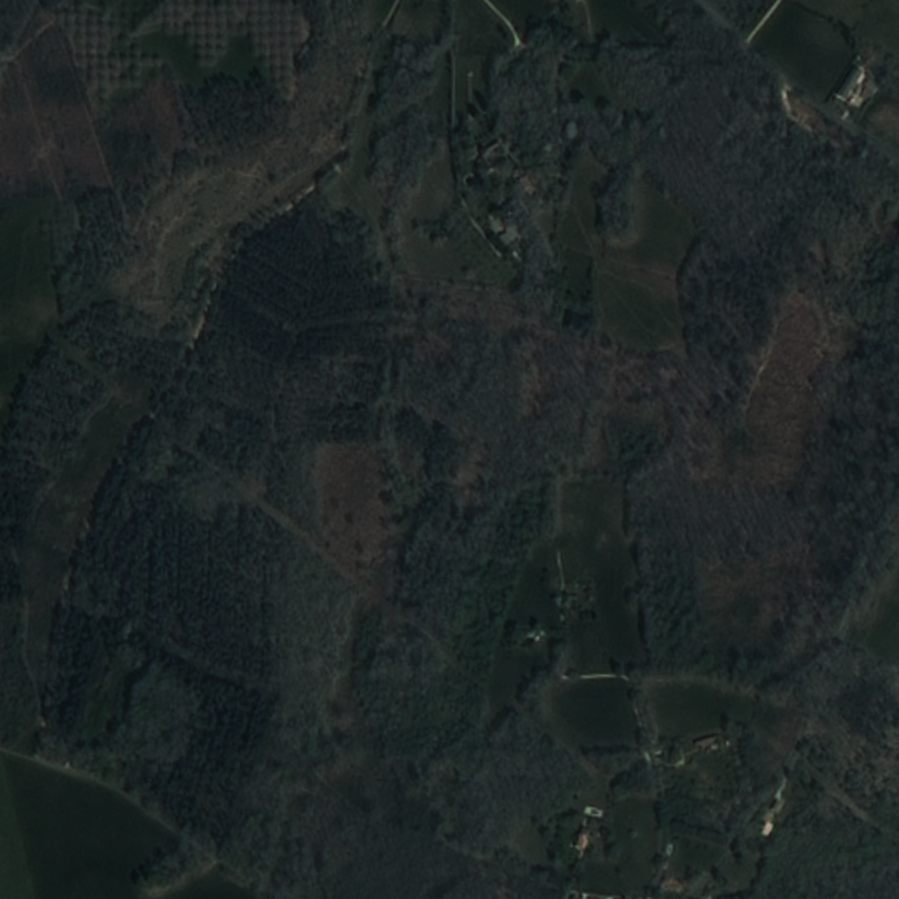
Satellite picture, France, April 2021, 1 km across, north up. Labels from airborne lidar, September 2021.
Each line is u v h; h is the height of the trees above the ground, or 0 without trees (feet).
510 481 67
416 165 65
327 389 28
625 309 0
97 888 0
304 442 30
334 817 29
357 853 38
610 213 56
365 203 0
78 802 0
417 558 55
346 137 40
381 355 44
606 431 42
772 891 57
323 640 54
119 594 62
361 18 40
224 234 19
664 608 71
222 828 64
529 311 68
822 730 58
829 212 57
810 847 58
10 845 0
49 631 30
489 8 0
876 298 67
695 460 65
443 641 80
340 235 58
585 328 44
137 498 83
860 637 0
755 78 83
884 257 41
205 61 32
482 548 66
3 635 18
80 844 0
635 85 73
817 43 0
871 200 55
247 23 30
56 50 48
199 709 56
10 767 0
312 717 92
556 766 75
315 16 57
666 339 0
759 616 24
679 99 72
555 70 68
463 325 33
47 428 40
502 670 0
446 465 46
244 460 38
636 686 31
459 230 34
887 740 54
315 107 50
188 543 66
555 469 67
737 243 68
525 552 55
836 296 69
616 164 56
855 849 73
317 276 59
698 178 55
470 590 75
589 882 51
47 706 53
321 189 49
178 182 23
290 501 43
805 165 61
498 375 68
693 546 70
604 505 0
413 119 54
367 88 48
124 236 44
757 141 62
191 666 42
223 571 51
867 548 59
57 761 66
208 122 69
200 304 37
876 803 50
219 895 0
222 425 45
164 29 30
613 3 0
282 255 65
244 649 69
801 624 73
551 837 47
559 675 50
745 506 73
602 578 0
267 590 41
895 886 62
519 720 64
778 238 60
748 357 86
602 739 0
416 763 35
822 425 31
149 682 88
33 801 0
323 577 70
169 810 52
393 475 59
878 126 0
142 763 53
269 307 65
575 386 49
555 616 0
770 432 23
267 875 83
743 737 40
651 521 68
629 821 0
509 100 83
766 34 0
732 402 68
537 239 78
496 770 65
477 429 60
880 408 31
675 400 55
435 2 0
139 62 34
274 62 38
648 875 0
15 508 66
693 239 0
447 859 56
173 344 44
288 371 30
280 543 59
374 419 40
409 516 43
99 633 75
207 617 70
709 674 50
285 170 49
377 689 28
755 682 72
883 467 68
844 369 80
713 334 87
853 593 69
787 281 57
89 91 29
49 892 0
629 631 0
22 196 32
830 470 25
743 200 62
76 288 63
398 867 48
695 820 51
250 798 76
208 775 80
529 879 59
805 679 69
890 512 58
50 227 34
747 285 100
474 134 50
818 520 21
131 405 30
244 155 27
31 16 42
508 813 70
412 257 0
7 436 41
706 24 75
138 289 31
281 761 52
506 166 46
